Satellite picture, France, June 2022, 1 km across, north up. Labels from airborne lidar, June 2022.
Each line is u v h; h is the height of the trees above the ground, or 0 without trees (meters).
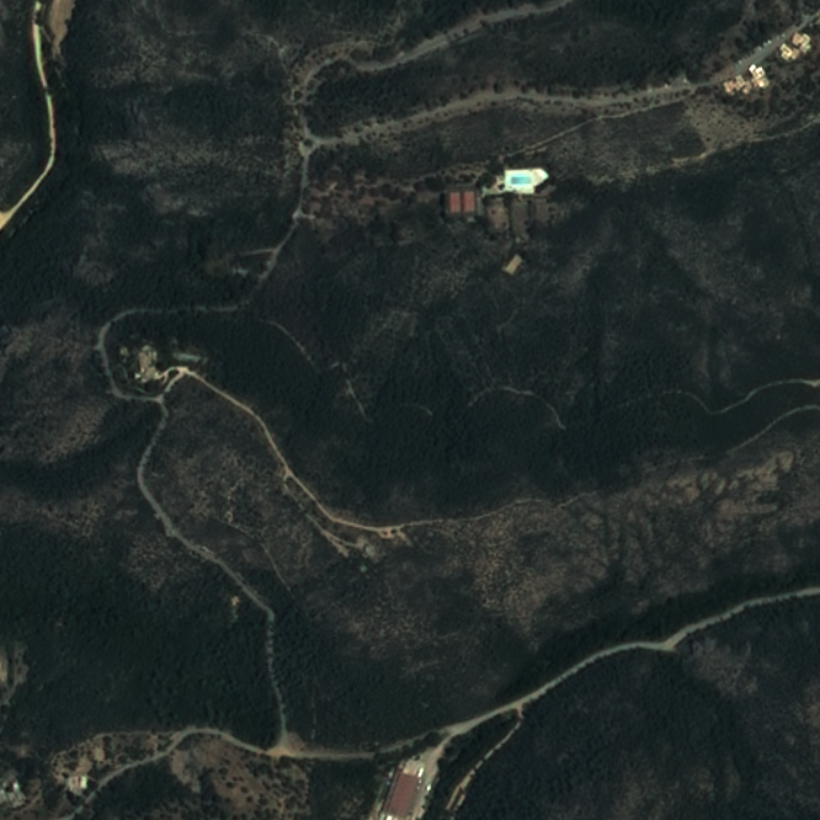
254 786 0
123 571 9
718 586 9
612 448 13
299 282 10
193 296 9
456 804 0
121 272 9
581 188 13
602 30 0
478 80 9
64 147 8
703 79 17
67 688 6
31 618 9
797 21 8
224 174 7
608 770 9
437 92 0
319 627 6
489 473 6
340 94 11
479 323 7
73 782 0
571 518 0
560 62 0
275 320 10
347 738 9
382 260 8
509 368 6
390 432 10
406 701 9
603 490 8
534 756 7
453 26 7
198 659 13
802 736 7
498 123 0
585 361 12
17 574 8
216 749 0
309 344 12
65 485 12
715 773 11
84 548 7
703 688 10
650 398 6
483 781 11
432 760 0
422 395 11
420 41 11
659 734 8
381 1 11
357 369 7
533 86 6
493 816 7
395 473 7
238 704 7
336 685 8
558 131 0
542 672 14
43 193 12
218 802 12
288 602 8
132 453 7
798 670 7
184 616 9
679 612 14
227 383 10
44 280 7
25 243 11
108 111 8
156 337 7
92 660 6
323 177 12
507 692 13
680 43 0
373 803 8
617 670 13
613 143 0
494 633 11
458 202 0
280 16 7
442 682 6
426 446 12
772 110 7
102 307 10
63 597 11
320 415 12
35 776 11
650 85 12
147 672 8
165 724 14
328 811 7
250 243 8
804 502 0
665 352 6
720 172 7
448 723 11
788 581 7
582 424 10
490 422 8
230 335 10
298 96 7
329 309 8
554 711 9
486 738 15
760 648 7
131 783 15
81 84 10
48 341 0
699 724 8
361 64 10
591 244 0
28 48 7
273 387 12
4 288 9
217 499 6
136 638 15
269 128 7
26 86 8
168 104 9
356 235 8
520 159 13
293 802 11
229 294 8
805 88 8
